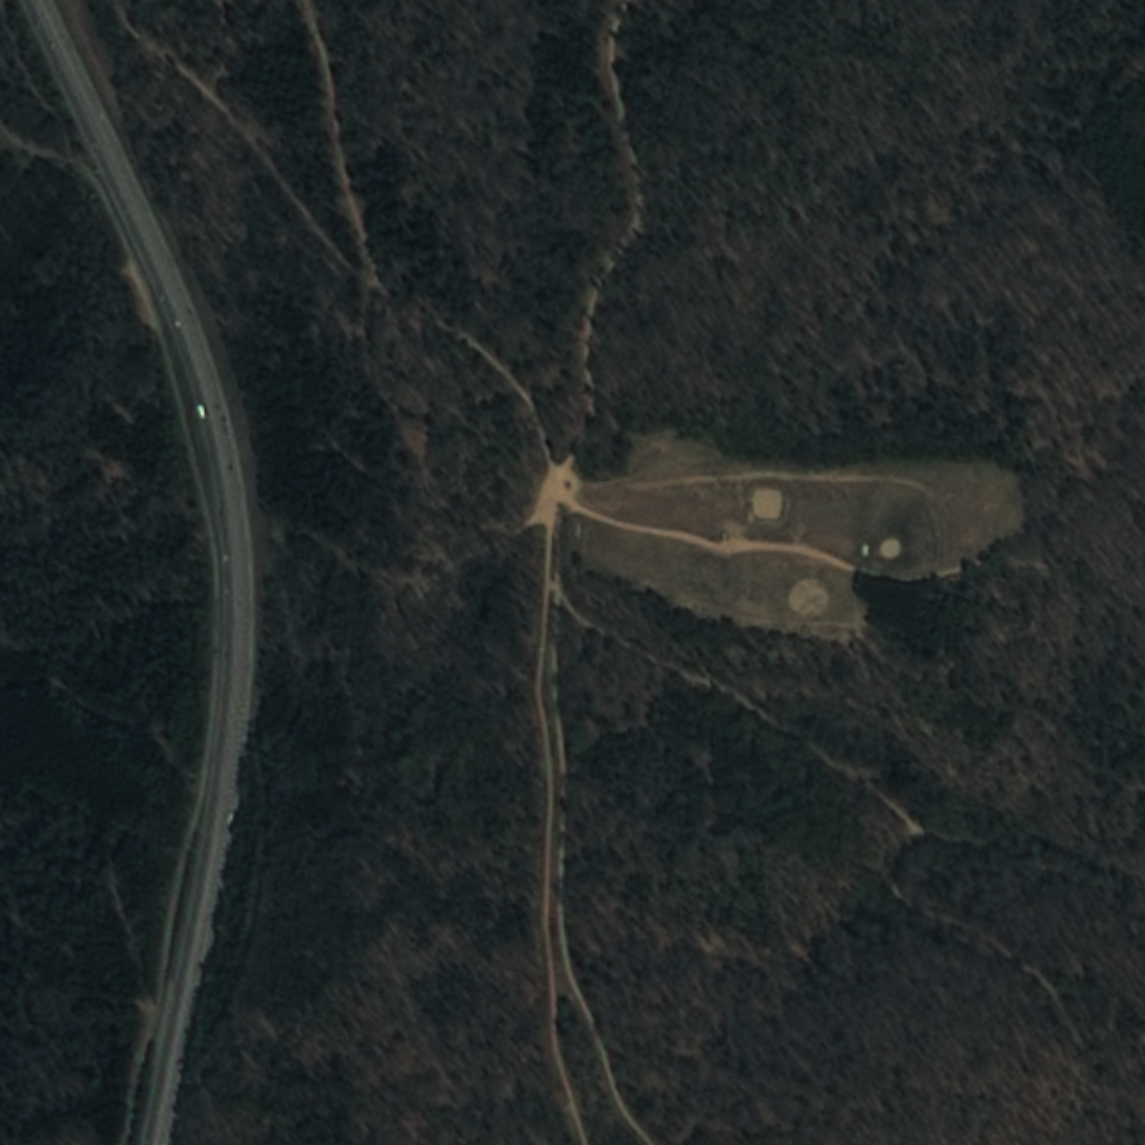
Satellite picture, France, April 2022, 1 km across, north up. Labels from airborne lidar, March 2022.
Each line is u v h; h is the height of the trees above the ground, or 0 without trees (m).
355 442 21
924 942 25
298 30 22
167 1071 0
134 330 14
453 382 20
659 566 0
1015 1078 18
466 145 21
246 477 0
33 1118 29
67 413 21
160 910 10
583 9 24
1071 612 23
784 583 0
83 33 0
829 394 19
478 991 28
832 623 0
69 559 25
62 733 19
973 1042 20
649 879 21
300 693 18
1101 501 24
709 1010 28
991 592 19
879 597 10
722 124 21
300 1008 20
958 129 22
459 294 21
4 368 15
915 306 21
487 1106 23
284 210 21
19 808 11
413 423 24
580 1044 25
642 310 21
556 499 0
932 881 24
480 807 26
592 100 22
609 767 9
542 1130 20
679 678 16
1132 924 29
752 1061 27
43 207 14
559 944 0
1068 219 20
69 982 19
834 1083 20
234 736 0
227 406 0
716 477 0
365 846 26
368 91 24
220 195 26
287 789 20
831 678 25
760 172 22
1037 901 27
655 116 23
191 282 0
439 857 23
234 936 10
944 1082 20
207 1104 23
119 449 12
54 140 21
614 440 16
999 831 22
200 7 16
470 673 22
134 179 0
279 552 15
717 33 19
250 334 19
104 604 35
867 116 23
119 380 12
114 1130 18
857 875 18
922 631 10
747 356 16
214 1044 12
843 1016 29
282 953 18
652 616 20
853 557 0
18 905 21
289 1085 15
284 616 14
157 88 14
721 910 20
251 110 22
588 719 16
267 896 14
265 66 16
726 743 16
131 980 16
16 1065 27
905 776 18
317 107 17
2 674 15
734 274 23
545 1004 6
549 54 16
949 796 17
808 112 22
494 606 28
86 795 14
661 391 18
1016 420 18
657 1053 23
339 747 19
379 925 21
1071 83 17
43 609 29
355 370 28
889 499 0
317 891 20
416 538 24
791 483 0
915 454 17
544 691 0
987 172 21
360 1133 18
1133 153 13
